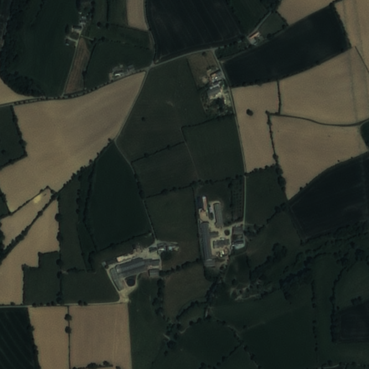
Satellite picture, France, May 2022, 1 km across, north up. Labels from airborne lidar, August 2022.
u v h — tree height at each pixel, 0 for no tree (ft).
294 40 0
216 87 0
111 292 0
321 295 0
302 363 0
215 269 0
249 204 0
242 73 0
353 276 0
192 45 0
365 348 0
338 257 45
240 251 0
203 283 0
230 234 0
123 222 0
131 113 0
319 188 0
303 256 69
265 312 0
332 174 0
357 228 40
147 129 0
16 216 0
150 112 0
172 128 0
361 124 0
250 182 0
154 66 0
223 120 34
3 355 0
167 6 0
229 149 0
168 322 49
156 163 0
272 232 0
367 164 0
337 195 0
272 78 0
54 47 0
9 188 0
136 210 0
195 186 57
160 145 0
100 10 0
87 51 0
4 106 0
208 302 55
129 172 0
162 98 0
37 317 0
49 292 0
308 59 0
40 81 0
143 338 0
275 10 24
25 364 0
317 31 0
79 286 0
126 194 0
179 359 0
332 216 0
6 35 25
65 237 0
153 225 24
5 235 0
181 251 0
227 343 0
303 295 0
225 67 0
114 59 0
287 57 0
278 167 60
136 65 0
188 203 0
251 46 38
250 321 0
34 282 0
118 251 0
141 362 0
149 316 0
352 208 0
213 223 0
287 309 0
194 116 0
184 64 0
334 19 0
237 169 0
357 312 0
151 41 0
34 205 0
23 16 83
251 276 53
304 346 0
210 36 0
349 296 0
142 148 0
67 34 34
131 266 0
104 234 0
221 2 0
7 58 46
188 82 0
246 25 0
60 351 0
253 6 0
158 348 0
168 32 0
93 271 27
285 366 0
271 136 21
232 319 0
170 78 0
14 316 0
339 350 0
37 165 0
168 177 0
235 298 0
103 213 0
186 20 0
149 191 0
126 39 0
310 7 0
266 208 0
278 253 59
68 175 0
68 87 0
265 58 0
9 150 0
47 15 0
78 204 48
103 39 37
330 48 0
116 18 0
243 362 0
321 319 0
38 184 0
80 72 0
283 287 78
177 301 0
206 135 0
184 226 0
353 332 0
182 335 0
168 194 52
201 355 0
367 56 0
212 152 0
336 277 0
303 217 0
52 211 0
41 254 35
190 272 0
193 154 0
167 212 0
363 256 66
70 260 0
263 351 0
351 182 0
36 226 0
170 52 0
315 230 0
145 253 0
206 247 0
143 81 0
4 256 56
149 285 0
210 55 0
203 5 0
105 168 0
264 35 0
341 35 0
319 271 0
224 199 0
